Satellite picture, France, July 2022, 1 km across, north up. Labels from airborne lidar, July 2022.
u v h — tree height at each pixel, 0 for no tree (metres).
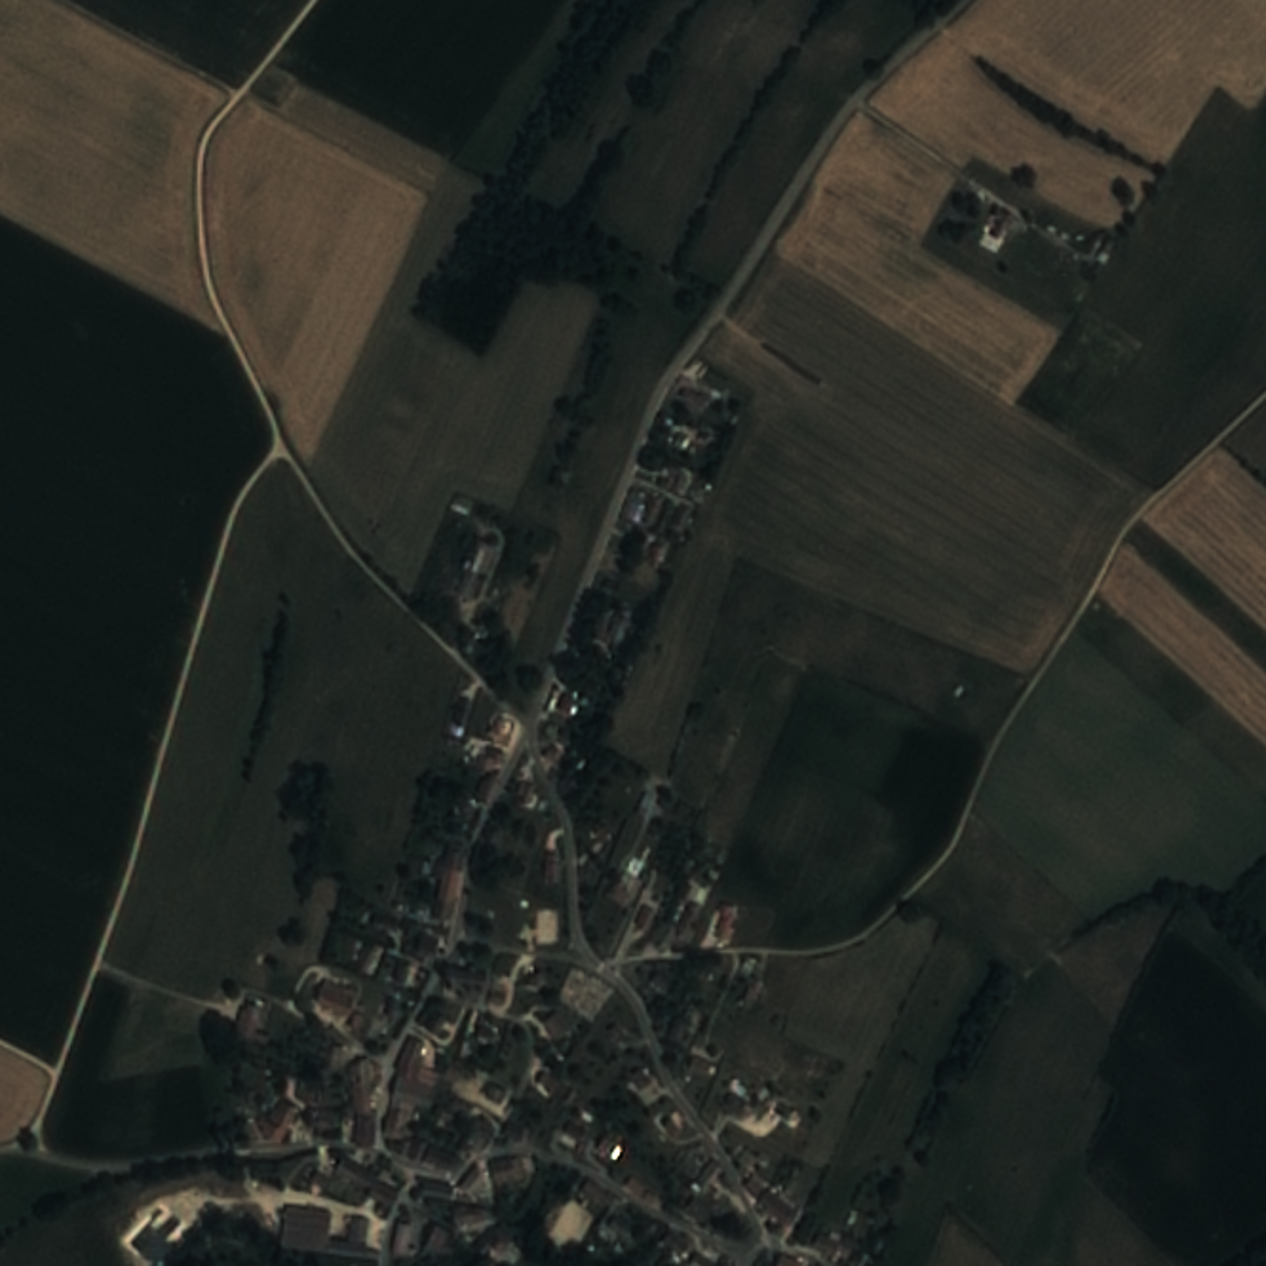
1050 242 0
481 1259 10
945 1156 0
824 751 0
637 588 0
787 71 7
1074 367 0
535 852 0
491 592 0
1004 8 0
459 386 0
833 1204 0
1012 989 20
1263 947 14
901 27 0
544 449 0
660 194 0
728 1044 0
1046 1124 0
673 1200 6
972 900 0
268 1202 0
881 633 0
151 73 0
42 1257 0
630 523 0
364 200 0
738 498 0
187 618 0
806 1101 0
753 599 0
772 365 0
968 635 0
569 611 0
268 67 0
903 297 0
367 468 0
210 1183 0
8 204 0
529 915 0
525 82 0
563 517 0
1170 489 0
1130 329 0
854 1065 0
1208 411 0
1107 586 0
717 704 0
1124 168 0
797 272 0
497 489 0
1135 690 0
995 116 0
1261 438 0
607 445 0
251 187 0
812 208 0
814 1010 0
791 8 0
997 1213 0
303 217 0
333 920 10
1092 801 0
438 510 0
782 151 0
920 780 0
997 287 0
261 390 0
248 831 0
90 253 0
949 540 0
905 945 0
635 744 0
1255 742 0
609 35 15
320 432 0
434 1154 0
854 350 0
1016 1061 0
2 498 0
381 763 0
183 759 0
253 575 0
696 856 7
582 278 9
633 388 0
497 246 15
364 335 0
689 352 0
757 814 0
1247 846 0
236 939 0
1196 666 0
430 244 0
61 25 0
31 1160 0
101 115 0
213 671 0
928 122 0
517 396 0
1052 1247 0
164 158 0
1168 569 0
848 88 0
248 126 0
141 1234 0
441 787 13
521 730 0
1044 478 0
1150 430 0
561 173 0
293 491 0
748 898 0
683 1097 0
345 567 0
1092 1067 0
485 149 0
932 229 0
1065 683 0
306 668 0
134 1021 0
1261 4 0
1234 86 0
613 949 0
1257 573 0
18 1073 0
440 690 0
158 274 0
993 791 0
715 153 0
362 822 0
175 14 0
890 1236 11
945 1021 0
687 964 7
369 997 0
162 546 0
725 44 0
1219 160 0
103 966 0
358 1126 0
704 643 0
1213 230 0
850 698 0
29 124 0
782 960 0
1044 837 0
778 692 0
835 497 0
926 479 0
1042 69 0
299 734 0
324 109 0
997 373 0
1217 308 0
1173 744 0
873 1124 0
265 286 0
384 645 0
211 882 0
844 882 0
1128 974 0
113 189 0
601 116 0
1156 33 0
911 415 0
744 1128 0
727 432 12
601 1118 8
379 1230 0
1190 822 0
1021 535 0
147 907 0
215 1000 0
